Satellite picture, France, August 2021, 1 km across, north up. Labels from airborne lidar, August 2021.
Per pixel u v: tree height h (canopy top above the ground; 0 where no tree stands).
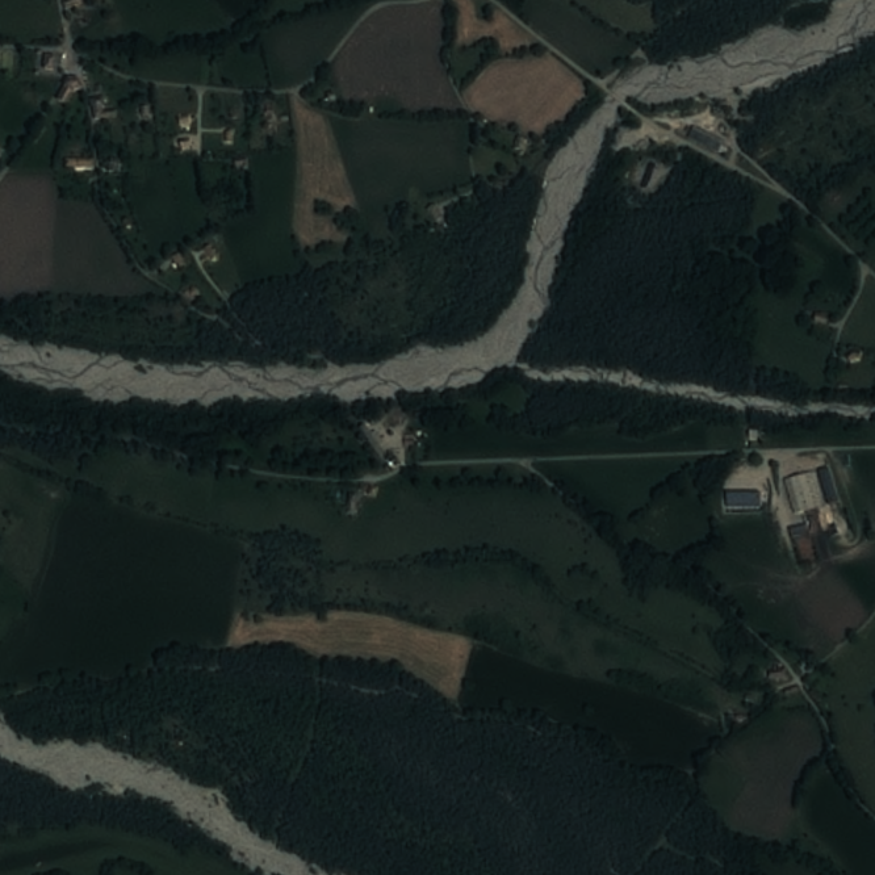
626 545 14
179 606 0
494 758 11
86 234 0
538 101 0
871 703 0
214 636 0
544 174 0
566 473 0
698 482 11
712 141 0
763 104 8
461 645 0
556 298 12
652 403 11
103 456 12
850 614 0
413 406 15
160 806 6
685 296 16
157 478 0
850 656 0
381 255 8
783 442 0
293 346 14
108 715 11
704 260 22
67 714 11
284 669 9
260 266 0
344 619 0
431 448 7
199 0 0
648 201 8
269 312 9
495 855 8
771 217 0
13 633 0
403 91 0
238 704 9
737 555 0
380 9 0
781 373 14
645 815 11
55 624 0
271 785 12
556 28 0
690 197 7
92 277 0
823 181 9
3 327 6
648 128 0
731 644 9
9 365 0
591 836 6
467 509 0
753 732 0
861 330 0
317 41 0
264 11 8
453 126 0
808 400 16
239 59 0
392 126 0
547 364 12
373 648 0
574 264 14
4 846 0
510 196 13
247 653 12
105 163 6
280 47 0
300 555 10
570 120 11
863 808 11
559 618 0
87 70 9
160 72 0
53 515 0
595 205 11
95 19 0
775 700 8
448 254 9
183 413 12
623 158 9
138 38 19
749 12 13
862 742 0
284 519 0
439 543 0
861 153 9
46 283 0
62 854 0
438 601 0
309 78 0
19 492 0
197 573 0
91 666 0
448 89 0
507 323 0
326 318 11
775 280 25
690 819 10
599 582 8
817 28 0
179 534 0
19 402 10
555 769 11
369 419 10
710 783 0
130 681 10
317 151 0
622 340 12
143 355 8
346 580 0
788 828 0
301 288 9
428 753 7
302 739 9
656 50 13
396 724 11
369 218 0
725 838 13
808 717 0
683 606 0
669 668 0
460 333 11
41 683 6
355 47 0
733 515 0
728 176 13
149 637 0
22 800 10
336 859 10
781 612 0
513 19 0
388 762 10
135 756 7
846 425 9
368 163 0
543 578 14
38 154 0
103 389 0
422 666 0
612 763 13
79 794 6
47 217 0
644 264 14
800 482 0
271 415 10
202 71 0
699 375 13
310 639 0
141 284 0
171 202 0
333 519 0
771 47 0
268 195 0
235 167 9
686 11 12
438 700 13
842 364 11
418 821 11
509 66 0
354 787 7
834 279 0
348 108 13
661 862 8
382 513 0
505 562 6
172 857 0
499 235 11
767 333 0
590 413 14
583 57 0
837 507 0
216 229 14
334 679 10
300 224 0
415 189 0
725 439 0
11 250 0
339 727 7
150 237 0
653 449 0
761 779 0
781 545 0
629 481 0
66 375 0
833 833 0
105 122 9
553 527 0
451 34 12
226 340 13
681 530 0
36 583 0
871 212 12
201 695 11
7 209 0
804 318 11
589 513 16
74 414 14
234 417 17
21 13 0
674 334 13
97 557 0
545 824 10
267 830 7
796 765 0
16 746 0
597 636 0
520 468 0
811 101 10
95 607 0
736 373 12
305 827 10
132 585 0
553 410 13
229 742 9
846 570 0
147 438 15
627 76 0
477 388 9
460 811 12
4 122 0
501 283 9
